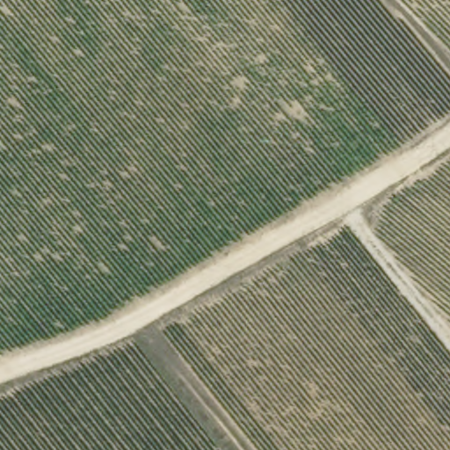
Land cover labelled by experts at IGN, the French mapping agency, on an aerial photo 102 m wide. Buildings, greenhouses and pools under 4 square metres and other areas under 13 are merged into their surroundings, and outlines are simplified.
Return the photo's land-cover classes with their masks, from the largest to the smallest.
<instances>
[{"label":"vineyard","instance_id":"1","mask_svg":"<svg viewBox=\"0 0 450 450\"><path fill-rule=\"evenodd\" d=\"M450 125V0H0V355L11 352L14 348L32 345L35 341L69 334L77 327H83L91 322L105 320L116 309L125 308L127 302L132 301L134 297H144L163 283L178 278L193 265L213 257L214 251H220L225 246L241 241L244 234H253L255 230L262 229L279 216L294 211L295 207L301 206L302 200L313 199L318 193L329 190L332 183H341L355 172L364 171L376 160H380L381 156L388 155L396 149L401 153L413 151L429 137ZM362 218L366 220L367 227L373 230L387 250L394 253L397 262L411 272V279L417 283L418 292L422 297L441 309V313L446 315V322L450 323V146L362 204ZM0 450H450V350L443 345L438 334L427 325L424 316L411 306L404 295L399 294L394 281L388 278L387 272L381 269V265L366 250L359 237L353 234L345 221L336 218L272 251L255 264L230 274L229 278L221 279L220 283L206 288L204 292L193 295L190 301L163 313L153 322L135 330L130 336L121 337L114 343L100 346L83 355L63 360L53 366L40 367L37 371L0 383Z\"/></svg>","mask_w":450,"mask_h":450},{"label":"pervious surface","instance_id":"2","mask_svg":"<svg viewBox=\"0 0 450 450\"><path fill-rule=\"evenodd\" d=\"M450 146V125L429 137L413 151L401 153L396 149L388 155L381 156L380 160H376L364 171L355 172L341 183H332L329 190L318 193L313 199L302 200L301 206L295 207L294 211L279 216L262 229L255 230L253 234H244L241 241L225 246L220 251H214L213 257L193 265L178 278L163 283L144 297H134L132 301L127 302L125 308L116 309L105 320L91 322L83 327H77L69 334L35 341L32 345L14 348L11 352L0 355V383L37 371L40 367L53 366L63 360L83 355L100 346L114 343L121 337L130 336L135 330L153 322L163 313L190 301L193 295L204 292L206 288L220 283L221 279L229 278L230 274L255 264L272 251L336 218L345 221L353 234L359 237L366 250L381 265V269L387 272L388 278L394 281L399 294L404 295L411 306L424 316L427 325L438 334L443 345L450 350V323L446 322V315L441 313V309L422 297L418 292L417 283L411 279V272L397 262L394 253L387 250L373 230L367 227L366 220L362 218V204Z\"/></svg>","mask_w":450,"mask_h":450}]
</instances>
